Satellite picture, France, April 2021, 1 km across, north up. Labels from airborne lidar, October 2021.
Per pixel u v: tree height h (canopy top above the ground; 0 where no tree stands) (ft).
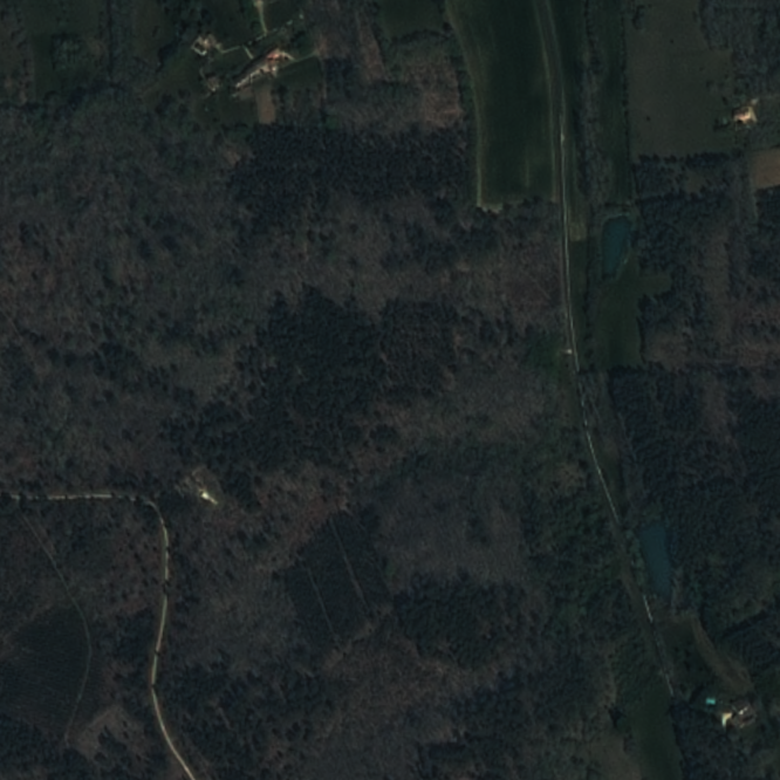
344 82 41
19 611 24
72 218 30
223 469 69
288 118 36
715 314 68
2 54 0
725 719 0
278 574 24
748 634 66
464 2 0
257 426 52
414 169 59
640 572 27
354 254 55
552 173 0
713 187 45
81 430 33
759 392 38
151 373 36
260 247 34
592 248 28
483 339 38
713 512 60
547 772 79
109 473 23
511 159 0
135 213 66
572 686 73
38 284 54
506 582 55
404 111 71
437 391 64
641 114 0
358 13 63
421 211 48
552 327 54
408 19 0
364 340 52
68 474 45
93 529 22
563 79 0
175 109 65
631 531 22
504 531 54
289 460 53
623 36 21
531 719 54
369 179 55
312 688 58
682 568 75
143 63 41
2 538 18
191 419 26
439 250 81
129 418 31
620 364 0
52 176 40
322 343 49
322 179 56
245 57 0
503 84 0
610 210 42
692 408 72
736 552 75
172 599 64
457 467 45
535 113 0
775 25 85
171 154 68
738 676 0
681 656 35
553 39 0
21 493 26
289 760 41
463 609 81
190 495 33
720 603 69
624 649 29
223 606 47
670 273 67
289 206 52
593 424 95
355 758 51
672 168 34
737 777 88
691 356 41
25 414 29
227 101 0
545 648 67
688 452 43
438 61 39
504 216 32
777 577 68
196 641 28
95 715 33
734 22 73
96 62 19
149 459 25
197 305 52
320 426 40
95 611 23
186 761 22
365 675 21
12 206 41
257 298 40
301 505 74
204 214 66
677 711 35
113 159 73
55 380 35
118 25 54
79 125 85
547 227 65
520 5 0
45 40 0
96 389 42
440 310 55
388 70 45
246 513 52
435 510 45
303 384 33
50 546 43
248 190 65
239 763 75
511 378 40
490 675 63
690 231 48
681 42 0
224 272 42
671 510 82
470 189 43
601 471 0
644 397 64
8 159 37
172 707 28
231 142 42
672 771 0
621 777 0
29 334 37
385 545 45
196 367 32
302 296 46
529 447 86
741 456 26
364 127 38
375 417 38
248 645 49
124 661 42
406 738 58
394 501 51
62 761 45
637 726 0
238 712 77
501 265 47
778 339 56
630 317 0
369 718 23
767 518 71
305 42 42
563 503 29
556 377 45
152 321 53
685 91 0
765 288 33
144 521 44
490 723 87
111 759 32
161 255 34
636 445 52
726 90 33
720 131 33
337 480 32
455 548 56
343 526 34
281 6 0
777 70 70
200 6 53
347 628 33
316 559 38
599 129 108
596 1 28
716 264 0
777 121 25
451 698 56
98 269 48
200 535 29
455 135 45
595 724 41
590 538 77
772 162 0
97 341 57
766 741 21
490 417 70
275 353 54
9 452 21
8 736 57
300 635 32
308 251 22
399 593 32
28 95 35
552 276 29
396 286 46
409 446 34
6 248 57
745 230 70
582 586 35
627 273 0
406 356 58
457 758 88
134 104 77
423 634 81
